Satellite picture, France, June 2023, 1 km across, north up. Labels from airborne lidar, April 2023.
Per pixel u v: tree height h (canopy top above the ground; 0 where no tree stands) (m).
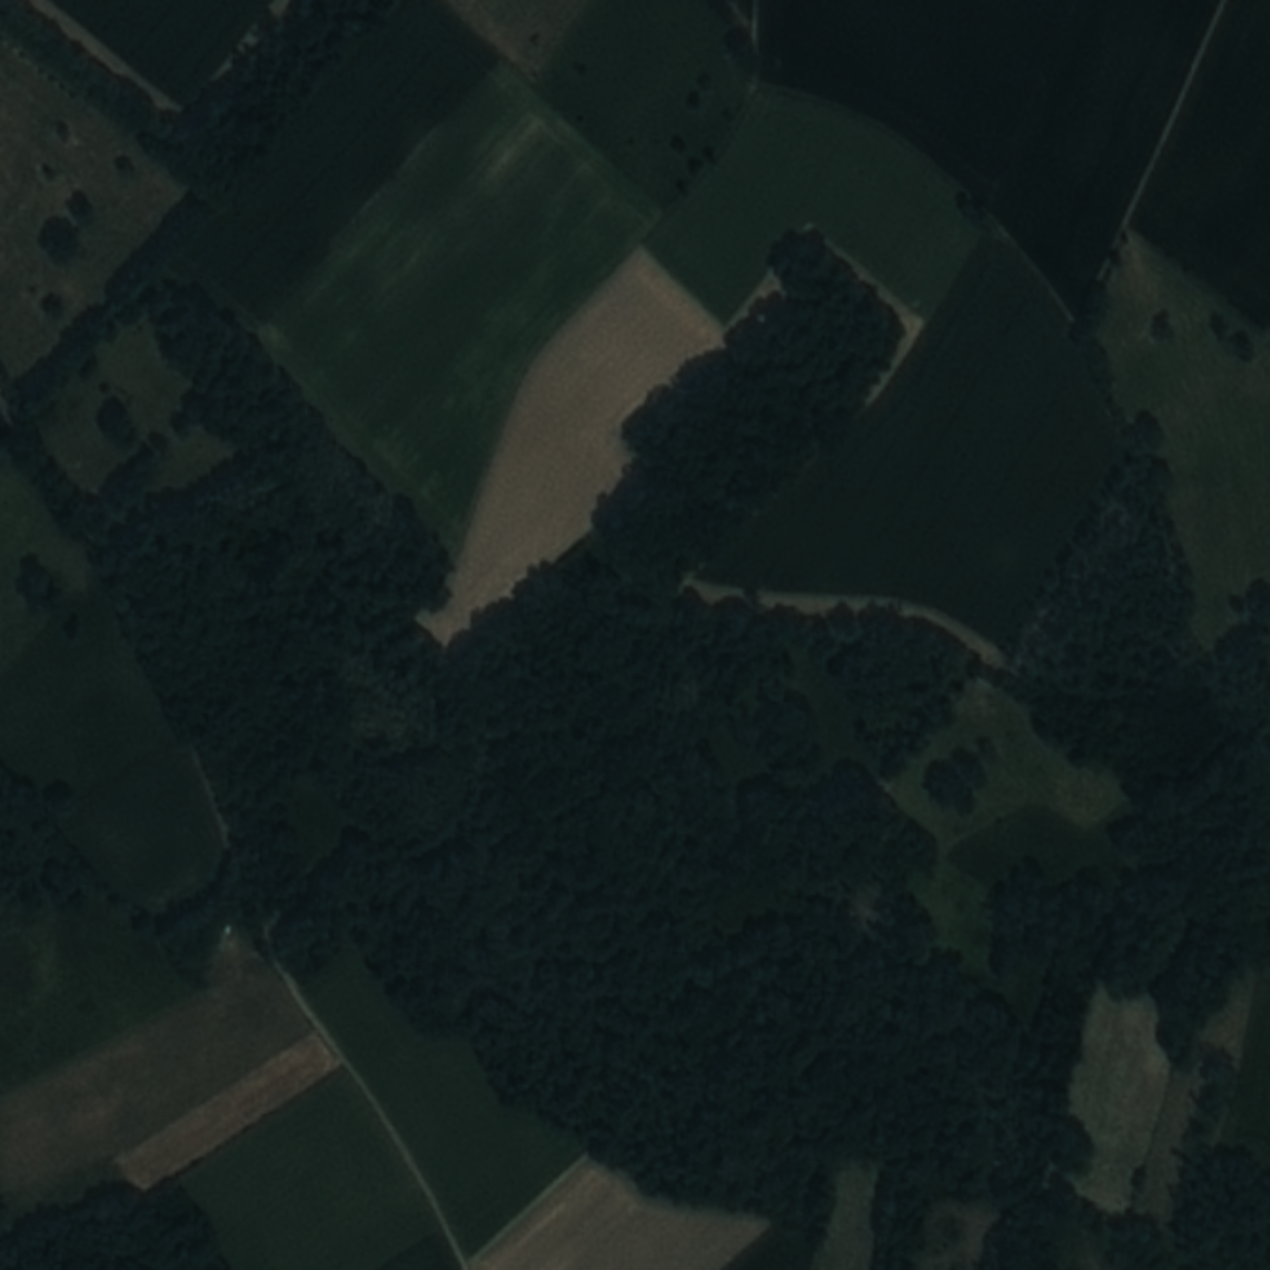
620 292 0
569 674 20
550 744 26
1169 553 22
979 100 0
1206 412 0
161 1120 0
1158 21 0
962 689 10
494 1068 20
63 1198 0
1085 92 0
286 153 0
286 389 21
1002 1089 37
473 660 23
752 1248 0
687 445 26
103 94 19
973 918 0
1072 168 0
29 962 0
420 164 0
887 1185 16
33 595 26
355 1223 0
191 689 22
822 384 25
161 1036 0
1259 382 0
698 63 0
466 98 0
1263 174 0
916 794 0
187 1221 21
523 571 0
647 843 29
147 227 0
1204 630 0
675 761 36
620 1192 0
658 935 31
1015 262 0
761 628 23
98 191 0
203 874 0
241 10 0
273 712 21
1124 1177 0
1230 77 0
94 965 0
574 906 26
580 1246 0
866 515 0
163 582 29
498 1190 0
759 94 0
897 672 23
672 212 0
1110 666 8
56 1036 0
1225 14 0
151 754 0
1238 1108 0
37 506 0
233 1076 0
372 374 0
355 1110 0
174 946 19
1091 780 0
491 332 0
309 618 26
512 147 0
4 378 13
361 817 25
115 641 0
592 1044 23
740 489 34
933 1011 37
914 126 0
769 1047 35
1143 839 20
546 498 0
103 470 0
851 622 25
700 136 0
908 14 0
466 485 0
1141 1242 12
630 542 28
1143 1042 0
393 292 0
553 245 0
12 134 0
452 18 0
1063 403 0
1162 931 26
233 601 25
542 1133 0
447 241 0
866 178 0
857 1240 0
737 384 26
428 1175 0
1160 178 0
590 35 0
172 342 23
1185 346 0
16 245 0
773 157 0
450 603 0
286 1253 0
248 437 23
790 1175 27
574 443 0
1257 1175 17
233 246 0
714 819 32
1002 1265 8
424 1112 0
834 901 19
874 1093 29
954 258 0
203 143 27
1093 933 8
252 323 0
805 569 0
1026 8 0
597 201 0
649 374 0
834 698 0
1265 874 27
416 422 0
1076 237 0
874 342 24
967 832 0
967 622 0
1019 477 0
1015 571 0
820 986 32
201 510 25
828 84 0
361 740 26
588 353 0
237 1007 0
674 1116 20
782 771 22
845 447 0
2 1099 0
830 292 20
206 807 0
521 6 0
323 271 0
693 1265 0
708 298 0
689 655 21
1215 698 8
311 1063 0
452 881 23
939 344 0
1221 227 0
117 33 0
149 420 0
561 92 0
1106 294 17
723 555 0
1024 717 0
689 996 29
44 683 0
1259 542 0
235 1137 0
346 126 0
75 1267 19
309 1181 0
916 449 0
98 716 0
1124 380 0
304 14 26
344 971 0
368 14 29
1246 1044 0
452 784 20
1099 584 26
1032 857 0
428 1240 0
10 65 0
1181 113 0
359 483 24
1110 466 0
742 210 0
